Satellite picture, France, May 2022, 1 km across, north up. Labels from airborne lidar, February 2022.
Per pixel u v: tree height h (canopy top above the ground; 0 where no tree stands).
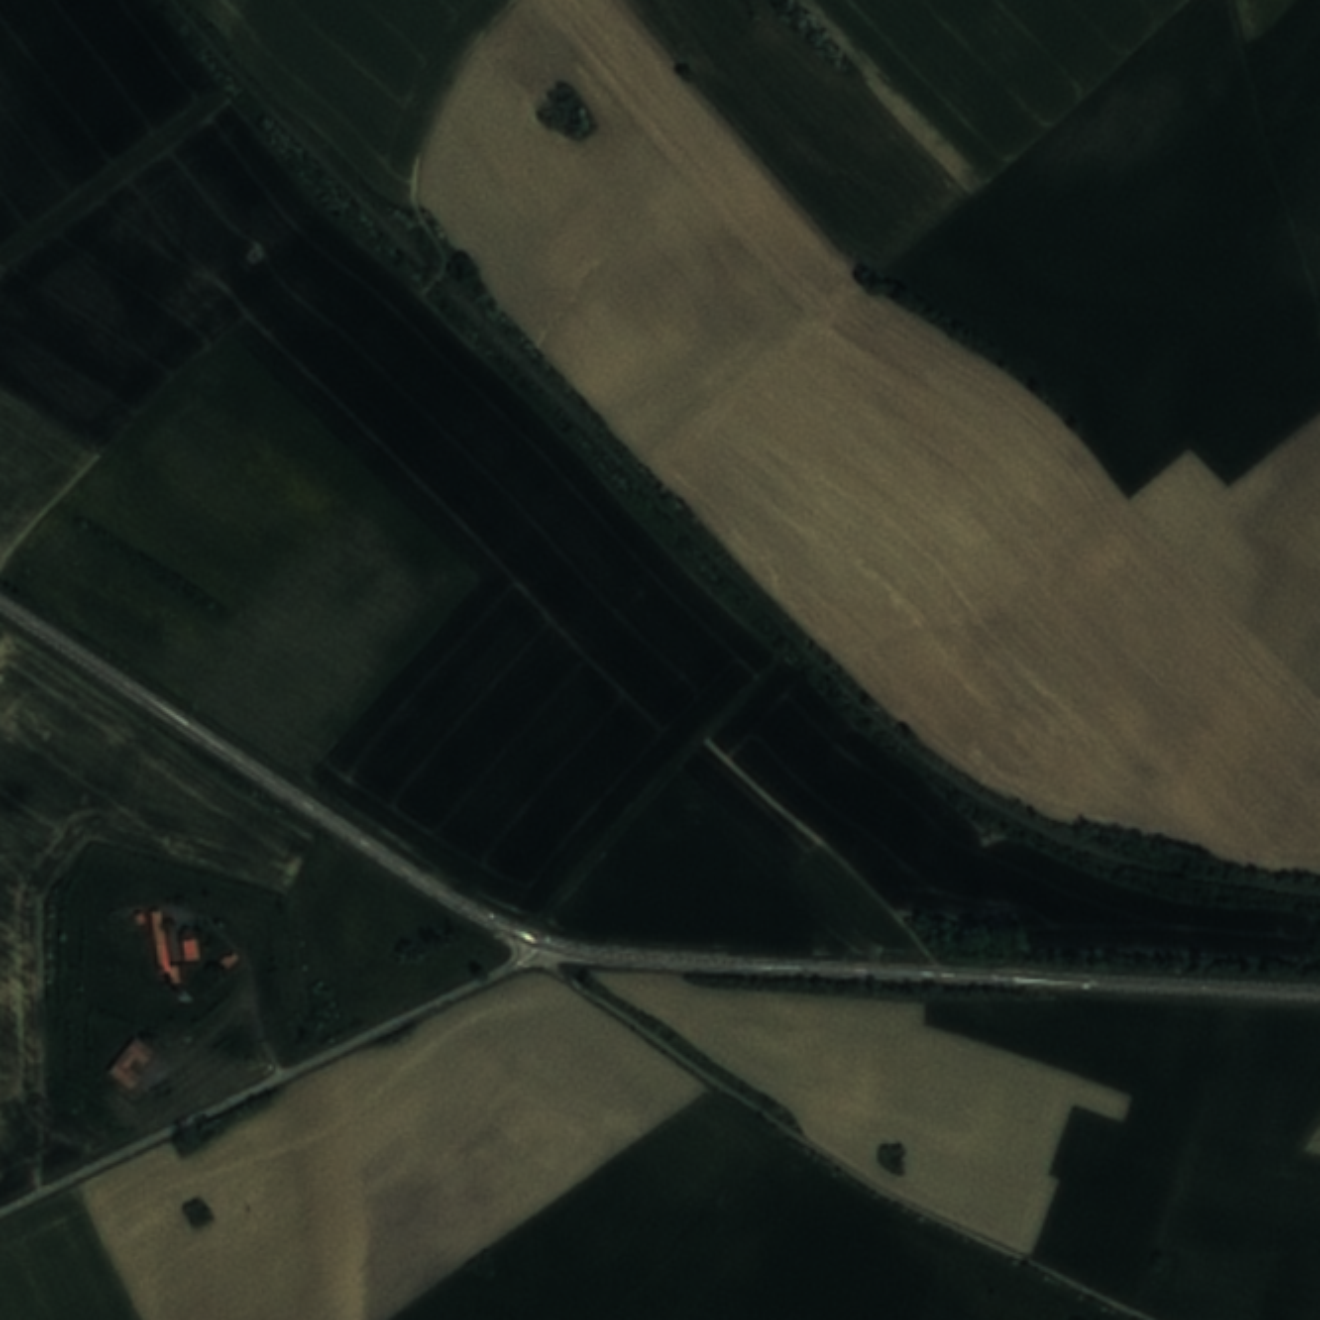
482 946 0
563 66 0
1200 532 0
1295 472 0
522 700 0
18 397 0
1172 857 14
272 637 0
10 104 0
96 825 0
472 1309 0
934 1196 0
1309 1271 0
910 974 0
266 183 0
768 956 0
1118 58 0
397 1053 0
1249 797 0
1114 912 0
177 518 0
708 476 0
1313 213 0
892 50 0
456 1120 0
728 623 0
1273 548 0
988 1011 0
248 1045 0
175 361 0
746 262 0
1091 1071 0
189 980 0
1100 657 0
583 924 0
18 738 0
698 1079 0
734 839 0
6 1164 0
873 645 0
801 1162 0
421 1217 0
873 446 0
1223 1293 0
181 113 0
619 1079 0
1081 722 0
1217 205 0
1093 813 0
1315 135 0
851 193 0
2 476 0
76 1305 0
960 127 0
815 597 0
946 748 0
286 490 0
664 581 0
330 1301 0
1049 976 0
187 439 0
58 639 0
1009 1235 0
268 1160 0
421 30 0
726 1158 0
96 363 0
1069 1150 0
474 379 0
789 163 0
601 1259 0
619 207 0
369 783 0
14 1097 0
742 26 0
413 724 0
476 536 0
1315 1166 0
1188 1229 0
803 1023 0
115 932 0
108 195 0
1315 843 0
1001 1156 0
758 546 0
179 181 0
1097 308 0
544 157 0
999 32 0
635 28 0
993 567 0
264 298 0
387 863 0
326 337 0
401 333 0
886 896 0
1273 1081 0
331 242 0
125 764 0
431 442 0
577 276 0
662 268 0
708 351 0
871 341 0
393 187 0
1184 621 0
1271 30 0
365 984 0
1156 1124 0
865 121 0
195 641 0
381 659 0
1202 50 0
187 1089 0
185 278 0
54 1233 0
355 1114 0
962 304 0
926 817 0
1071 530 0
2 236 0
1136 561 0
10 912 0
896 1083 0
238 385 0
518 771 0
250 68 0
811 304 0
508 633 0
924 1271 0
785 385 0
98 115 0
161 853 0
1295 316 0
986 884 0
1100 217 0
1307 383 0
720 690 0
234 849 0
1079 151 0
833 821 0
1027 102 0
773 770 0
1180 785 0
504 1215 0
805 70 0
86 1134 0
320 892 0
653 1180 0
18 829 0
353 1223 0
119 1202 0
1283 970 10
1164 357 0
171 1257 0
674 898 0
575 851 0
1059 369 0
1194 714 0
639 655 0
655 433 0
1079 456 0
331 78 0
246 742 0
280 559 0
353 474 0
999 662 0
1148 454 0
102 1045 0
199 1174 0
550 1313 0
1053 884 0
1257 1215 0
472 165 0
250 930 0
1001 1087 0
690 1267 0
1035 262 0
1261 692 0
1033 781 0
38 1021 0
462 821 0
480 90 0
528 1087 0
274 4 0
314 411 0
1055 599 0
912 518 0
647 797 0
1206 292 0
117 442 0
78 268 0
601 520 0
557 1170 0
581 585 0
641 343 0
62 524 0
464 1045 0
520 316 0
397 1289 0
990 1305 0
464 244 0
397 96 0
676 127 0
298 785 0
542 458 0
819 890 0
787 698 0
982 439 0
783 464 0
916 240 0
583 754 0
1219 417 0
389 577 0
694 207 0
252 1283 0
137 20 0
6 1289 0
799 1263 0
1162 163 0
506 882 0
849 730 0
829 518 0
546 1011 0
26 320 0
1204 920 0
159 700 0
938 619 0
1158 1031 0
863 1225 0
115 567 0
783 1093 0
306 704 0
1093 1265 0
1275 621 0
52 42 0
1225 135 0
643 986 0
